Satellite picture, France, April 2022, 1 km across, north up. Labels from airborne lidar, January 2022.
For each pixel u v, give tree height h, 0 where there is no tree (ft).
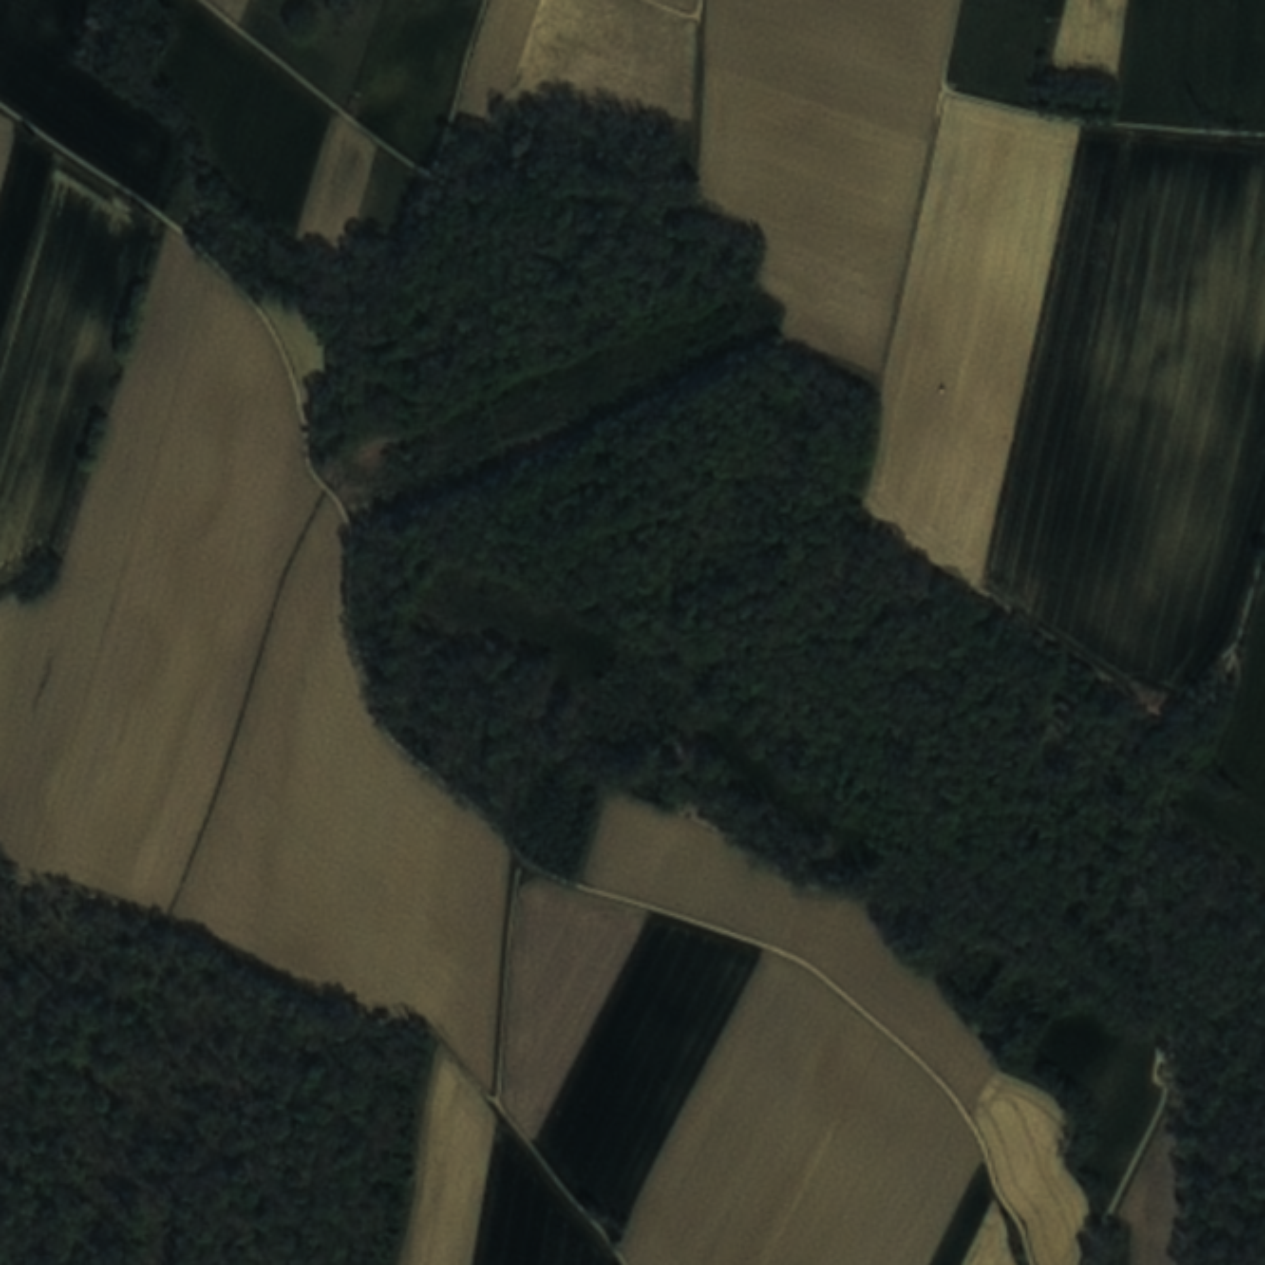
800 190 0
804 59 0
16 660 0
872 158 0
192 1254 119
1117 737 106
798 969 0
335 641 0
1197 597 0
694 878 0
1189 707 66
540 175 86
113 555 0
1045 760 110
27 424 0
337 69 0
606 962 0
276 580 0
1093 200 0
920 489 0
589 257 110
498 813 84
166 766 0
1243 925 94
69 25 0
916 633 105
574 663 0
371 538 82
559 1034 0
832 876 98
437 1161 0
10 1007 92
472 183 82
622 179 101
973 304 0
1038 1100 0
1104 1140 38
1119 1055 0
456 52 0
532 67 0
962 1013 27
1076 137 0
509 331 108
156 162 0
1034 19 0
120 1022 113
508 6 0
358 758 0
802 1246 0
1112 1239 91
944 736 112
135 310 55
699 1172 0
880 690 117
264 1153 115
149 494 0
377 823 0
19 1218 99
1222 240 0
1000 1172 0
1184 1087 71
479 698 122
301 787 0
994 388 0
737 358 65
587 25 0
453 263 106
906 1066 0
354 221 0
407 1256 0
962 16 0
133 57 98
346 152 0
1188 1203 65
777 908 0
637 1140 0
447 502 91
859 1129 0
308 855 0
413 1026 76
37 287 0
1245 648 27
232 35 0
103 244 0
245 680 0
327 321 89
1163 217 0
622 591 107
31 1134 97
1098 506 0
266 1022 102
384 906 0
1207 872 84
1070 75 53
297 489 0
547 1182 0
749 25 0
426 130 0
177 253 0
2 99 0
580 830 78
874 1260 0
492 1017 0
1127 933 84
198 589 0
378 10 0
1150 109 0
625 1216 52
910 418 0
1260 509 0
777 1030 0
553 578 96
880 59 0
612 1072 0
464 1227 0
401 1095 85
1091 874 105
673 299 80
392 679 101
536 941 0
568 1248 0
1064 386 0
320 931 0
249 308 0
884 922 84
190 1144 114
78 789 0
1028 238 0
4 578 0
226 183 61
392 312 81
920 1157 0
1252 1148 100
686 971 0
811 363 98
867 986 0
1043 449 0
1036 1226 0
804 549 98
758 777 0
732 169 0
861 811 91
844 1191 0
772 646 105
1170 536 0
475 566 82
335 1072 103
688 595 92
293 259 76
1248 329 0
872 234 0
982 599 41
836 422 105
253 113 0
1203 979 97
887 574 106
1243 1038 98
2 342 0
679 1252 0
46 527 0
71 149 0
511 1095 0
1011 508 0
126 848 0
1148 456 0
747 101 0
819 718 119
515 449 0
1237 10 0
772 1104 0
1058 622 0
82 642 0
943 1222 0
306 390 0
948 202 0
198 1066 100
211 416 0
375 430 64
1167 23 0
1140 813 97
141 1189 118
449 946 0
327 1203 125
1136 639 0
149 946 111
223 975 100
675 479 113
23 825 0
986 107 0
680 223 81
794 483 91
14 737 0
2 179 0
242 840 0
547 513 106
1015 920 116
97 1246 85
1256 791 0
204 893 0
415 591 85
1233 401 0
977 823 85
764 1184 0
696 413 110
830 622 101
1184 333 0
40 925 86
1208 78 0
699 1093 0
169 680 0
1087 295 0
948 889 104
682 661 100
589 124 70
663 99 0
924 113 0
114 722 0
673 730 76
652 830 0
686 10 0
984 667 112
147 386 0
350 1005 77
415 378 75
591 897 0
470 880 0
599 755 84
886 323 0
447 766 97
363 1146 97
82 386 0
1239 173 0
